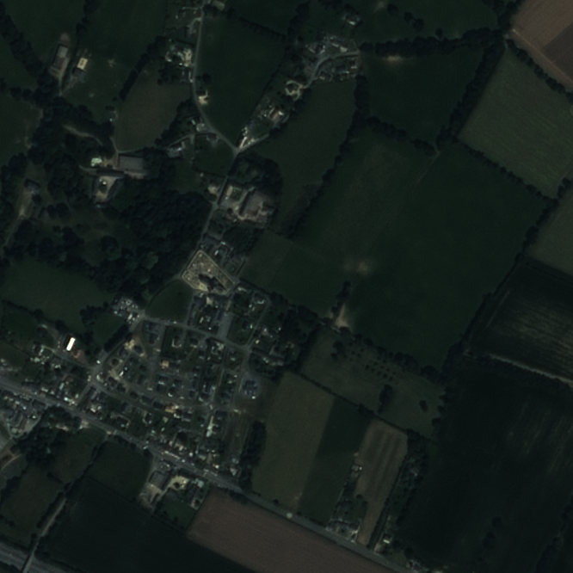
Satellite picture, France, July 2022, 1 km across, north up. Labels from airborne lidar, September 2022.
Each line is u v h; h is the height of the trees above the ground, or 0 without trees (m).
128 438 0
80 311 0
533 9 0
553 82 10
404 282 0
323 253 0
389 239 0
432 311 0
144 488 0
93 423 0
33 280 0
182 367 0
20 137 0
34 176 0
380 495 0
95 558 0
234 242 6
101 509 0
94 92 0
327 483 0
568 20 0
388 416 0
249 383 0
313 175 0
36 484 0
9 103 0
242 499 16
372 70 0
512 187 0
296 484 0
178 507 0
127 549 0
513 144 0
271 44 0
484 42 20
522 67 0
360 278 0
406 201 0
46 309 0
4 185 23
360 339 13
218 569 0
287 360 11
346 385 0
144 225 22
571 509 15
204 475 0
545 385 24
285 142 0
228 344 0
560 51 0
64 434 14
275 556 0
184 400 0
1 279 19
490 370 16
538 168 0
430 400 0
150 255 25
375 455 0
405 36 0
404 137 16
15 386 0
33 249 25
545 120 0
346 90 0
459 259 0
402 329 0
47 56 0
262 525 0
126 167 0
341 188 0
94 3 23
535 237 20
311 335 12
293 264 0
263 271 0
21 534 0
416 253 0
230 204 0
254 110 0
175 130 17
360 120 23
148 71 0
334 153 0
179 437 13
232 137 0
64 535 0
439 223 0
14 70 0
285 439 0
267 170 15
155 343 0
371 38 0
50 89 26
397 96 0
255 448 20
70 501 10
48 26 0
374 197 0
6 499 19
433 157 17
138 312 0
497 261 0
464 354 16
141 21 0
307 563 0
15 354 0
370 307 0
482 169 0
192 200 25
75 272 28
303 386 0
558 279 6
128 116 0
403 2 0
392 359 10
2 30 15
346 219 0
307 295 0
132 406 0
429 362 0
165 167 18
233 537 0
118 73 0
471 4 0
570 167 0
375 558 0
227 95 0
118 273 17
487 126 0
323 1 7
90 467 8
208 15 12
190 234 16
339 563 0
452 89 0
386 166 0
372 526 0
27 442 7
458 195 0
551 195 0
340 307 9
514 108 0
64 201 0
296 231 14
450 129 8
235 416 0
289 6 0
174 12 0
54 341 0
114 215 17
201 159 0
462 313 0
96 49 0
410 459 10
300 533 0
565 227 0
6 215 25
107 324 0
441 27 0
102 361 0
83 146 7
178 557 0
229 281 0
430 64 0
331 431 0
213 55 0
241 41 0
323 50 0
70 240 28
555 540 9
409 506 9
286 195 0
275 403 0
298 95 0
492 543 19
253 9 0
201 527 0
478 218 0
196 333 0
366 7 0
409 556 17
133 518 0
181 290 0
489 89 0
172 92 0
